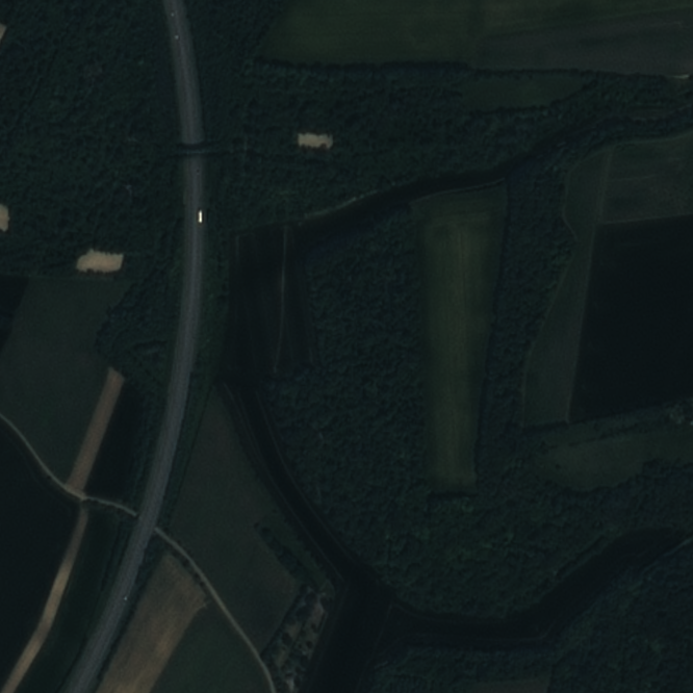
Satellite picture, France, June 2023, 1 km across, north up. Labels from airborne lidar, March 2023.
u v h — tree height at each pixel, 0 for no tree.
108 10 19
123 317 17
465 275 0
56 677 0
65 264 10
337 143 14
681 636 22
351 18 0
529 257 23
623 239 0
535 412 0
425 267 0
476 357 0
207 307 7
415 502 10
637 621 14
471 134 12
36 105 9
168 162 14
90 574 0
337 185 11
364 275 9
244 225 10
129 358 10
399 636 0
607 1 0
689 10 0
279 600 0
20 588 0
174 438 0
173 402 0
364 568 0
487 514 20
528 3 0
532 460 18
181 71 0
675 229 0
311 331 0
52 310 0
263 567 0
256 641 0
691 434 0
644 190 0
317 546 0
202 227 0
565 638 9
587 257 0
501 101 0
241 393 0
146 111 12
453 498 14
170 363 0
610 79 8
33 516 0
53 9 8
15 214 8
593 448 0
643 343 0
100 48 13
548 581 12
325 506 17
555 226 22
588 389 0
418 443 15
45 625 0
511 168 0
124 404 0
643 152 0
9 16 19
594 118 0
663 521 13
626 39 0
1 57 16
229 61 8
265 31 8
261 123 16
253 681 0
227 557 0
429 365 0
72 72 6
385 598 0
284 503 0
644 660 22
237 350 0
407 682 8
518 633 0
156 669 0
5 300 0
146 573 7
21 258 17
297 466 14
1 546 0
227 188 9
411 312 18
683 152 0
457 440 0
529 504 19
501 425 22
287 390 8
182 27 0
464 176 0
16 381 0
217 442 0
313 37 0
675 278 0
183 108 0
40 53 18
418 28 0
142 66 7
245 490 0
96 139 15
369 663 0
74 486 0
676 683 20
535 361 0
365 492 19
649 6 0
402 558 19
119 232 7
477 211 0
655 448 0
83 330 0
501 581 21
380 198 0
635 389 0
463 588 10
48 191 8
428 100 18
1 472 0
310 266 17
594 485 0
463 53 0
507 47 0
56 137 7
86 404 0
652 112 0
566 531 19
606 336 0
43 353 0
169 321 14
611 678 19
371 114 17
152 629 0
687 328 0
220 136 8
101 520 0
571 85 0
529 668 18
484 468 20
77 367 0
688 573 25
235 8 15
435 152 5
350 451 17
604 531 7
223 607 0
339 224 0
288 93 7
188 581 0
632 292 0
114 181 13
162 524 9
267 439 0
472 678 12
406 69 20
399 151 6
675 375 0
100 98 14
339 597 0
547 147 0
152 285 16
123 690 0
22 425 0
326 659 0
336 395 16
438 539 16
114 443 0
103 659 0
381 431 16
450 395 0
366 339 18
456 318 0
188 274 0
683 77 0
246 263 0
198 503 0
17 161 6
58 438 0
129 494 8
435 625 0
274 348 0
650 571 13
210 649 0
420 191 0
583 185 0
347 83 18
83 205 15
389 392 17
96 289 0
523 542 17
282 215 14
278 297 0
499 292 17
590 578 0
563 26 0
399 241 17
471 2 0
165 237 14
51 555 0
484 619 0
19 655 0
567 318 0
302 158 10
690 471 7
